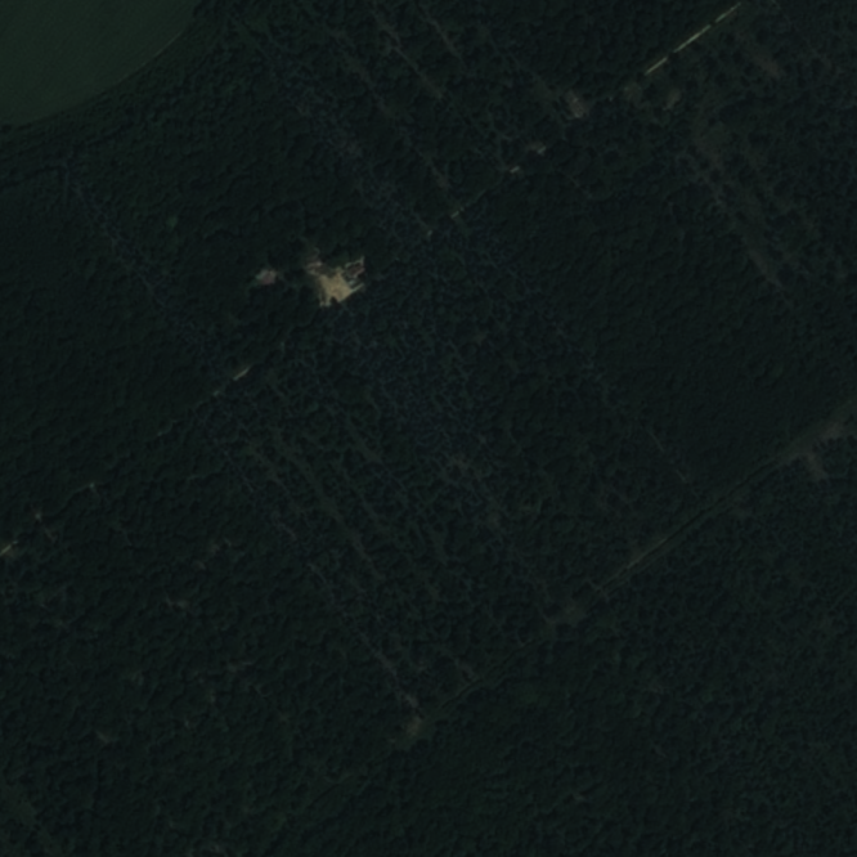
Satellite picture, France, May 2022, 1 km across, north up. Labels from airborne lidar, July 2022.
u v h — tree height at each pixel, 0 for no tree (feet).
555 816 70
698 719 21
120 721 65
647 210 71
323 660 69
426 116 82
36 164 35
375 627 67
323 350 72
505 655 33
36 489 76
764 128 22
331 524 56
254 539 67
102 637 61
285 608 64
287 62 97
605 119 72
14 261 53
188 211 80
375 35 72
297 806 71
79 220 69
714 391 66
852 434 0
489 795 50
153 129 51
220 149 71
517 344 70
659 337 63
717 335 75
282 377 49
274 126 79
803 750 63
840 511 52
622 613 65
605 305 71
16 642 75
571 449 78
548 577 31
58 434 61
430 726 0
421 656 74
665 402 64
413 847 71
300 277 85
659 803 63
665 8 65
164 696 55
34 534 74
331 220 79
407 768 70
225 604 77
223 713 73
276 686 75
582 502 68
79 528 74
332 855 48
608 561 31
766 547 74
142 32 0
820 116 56
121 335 81
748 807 61
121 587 74
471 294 30
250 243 97
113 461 55
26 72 0
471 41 65
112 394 63
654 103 75
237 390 73
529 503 24
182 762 67
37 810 61
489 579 73
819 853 64
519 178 41
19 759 61
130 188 66
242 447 71
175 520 65
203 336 74
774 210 71
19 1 0
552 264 66
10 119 0
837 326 48
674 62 67
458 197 79
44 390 90
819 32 26
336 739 33
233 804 61
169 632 74
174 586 67
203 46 52
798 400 64
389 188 95
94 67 0
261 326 79
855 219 70
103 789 73
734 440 75
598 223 75
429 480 54
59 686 74
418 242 67
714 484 52
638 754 60
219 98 58
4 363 69
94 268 63
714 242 64
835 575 36
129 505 74
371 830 35
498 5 86
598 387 82
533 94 67
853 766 26
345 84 72
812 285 28
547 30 70
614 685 70
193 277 84
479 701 72
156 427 65
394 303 56
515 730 92
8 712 38
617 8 72
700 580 73
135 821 67
